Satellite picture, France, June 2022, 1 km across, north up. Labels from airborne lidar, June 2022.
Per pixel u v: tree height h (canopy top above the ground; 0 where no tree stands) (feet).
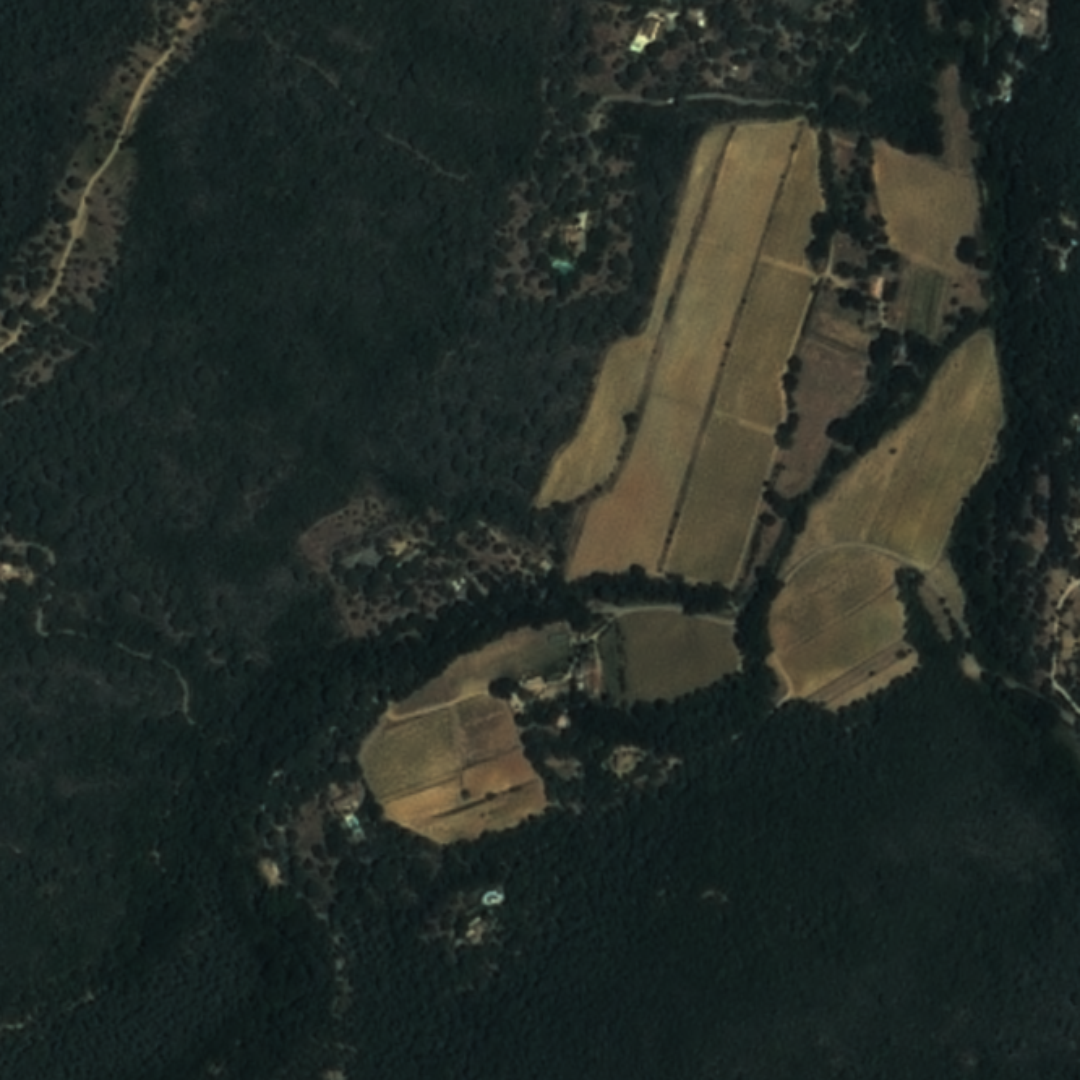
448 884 25
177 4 25
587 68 40
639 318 31
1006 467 47
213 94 19
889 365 38
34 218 22
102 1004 49
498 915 42
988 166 57
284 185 21
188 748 26
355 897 34
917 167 0
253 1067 39
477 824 0
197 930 55
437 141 17
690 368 0
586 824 40
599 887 23
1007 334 32
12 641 19
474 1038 30
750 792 36
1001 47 42
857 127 44
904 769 29
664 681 0
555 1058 25
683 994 21
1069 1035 34
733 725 38
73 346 34
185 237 25
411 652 44
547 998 37
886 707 43
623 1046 25
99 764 23
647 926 27
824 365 0
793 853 31
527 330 20
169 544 26
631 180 42
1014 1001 21
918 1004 23
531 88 23
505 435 34
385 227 34
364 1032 31
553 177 35
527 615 74
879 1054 23
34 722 28
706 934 26
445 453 39
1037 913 27
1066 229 35
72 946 21
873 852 18
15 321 35
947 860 23
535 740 38
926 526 0
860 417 46
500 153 30
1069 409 43
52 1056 29
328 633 28
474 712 0
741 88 30
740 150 0
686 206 0
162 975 53
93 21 26
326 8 19
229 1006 58
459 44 30
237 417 28
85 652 22
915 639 30
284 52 22
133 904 33
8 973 25
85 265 28
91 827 27
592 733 46
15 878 37
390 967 24
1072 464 30
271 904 89
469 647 49
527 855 29
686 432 0
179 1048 52
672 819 17
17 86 23
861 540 0
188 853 32
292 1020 44
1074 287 30
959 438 0
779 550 22
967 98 20
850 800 33
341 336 29
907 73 37
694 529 0
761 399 0
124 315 35
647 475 0
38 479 37
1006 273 45
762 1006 18
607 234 34
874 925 19
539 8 35
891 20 26
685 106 40
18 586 33
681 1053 23
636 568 40
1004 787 25
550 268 31
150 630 27
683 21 33
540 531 34
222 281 28
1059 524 31
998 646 42
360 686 20
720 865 28
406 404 23
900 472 0
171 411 32
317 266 32
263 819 40
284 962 56
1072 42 35
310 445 24
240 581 18
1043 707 55
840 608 0
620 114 24
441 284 25
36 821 22
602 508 0
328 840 31
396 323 26
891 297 37
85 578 31
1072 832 30
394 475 23
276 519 22
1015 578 30
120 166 0
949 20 30
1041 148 35
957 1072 21
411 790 0
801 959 21
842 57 29
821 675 0
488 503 38
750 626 68
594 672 0
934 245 0
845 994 23
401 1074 33
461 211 29
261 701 32
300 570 37
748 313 0
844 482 0
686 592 75
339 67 30
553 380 31
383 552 23
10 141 25
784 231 0
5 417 32
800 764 27
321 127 30
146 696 18
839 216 42
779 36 31
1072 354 25
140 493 38
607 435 0
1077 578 23
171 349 36
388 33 20
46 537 39
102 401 19
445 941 37
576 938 30
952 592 0
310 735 47
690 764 39
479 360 30
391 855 23
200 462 19
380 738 0
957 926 31
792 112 34
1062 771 45
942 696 20
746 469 0
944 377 0
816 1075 24
